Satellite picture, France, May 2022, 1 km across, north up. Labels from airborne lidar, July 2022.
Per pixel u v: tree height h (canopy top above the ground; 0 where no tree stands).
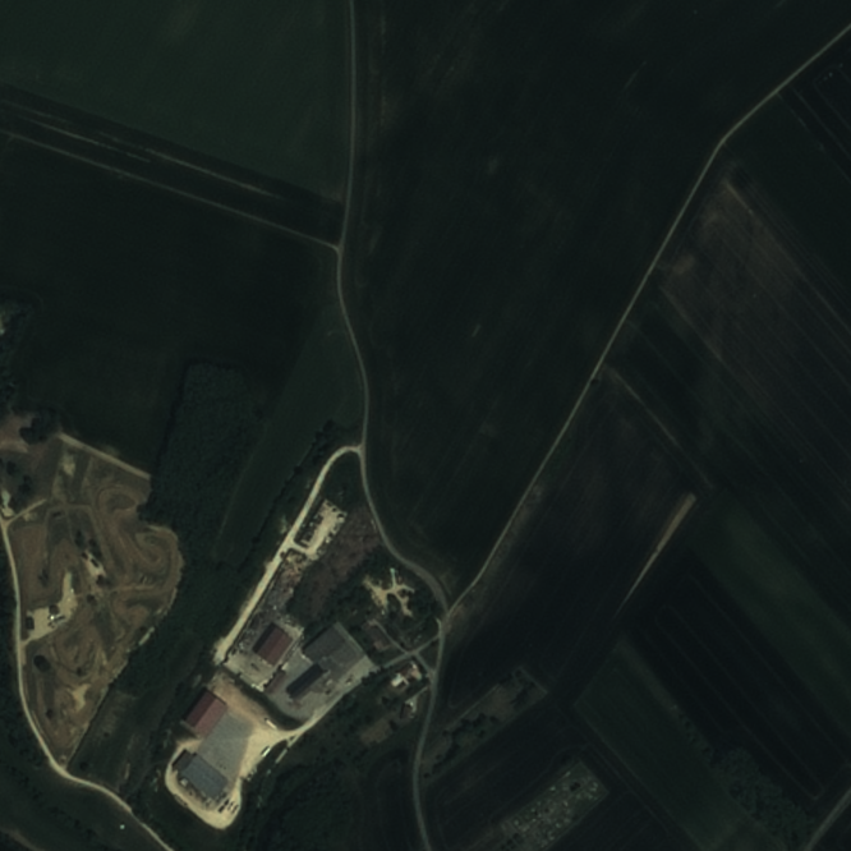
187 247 0
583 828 0
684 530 0
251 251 0
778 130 0
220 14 0
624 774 0
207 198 0
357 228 0
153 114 0
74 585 0
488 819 0
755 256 0
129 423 0
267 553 0
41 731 0
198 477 23
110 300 0
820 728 0
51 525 0
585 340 0
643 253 0
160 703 0
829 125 0
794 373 0
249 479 0
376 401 0
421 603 10
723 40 0
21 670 0
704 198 0
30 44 0
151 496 6
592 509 0
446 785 0
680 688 0
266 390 0
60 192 0
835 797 0
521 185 0
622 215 0
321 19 0
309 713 0
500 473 0
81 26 0
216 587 15
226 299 0
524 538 0
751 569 0
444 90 0
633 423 0
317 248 0
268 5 0
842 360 0
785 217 0
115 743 0
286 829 10
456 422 0
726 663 0
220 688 0
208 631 12
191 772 0
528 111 0
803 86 0
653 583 0
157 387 0
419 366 0
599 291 0
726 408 0
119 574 0
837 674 0
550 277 0
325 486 0
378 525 0
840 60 0
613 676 0
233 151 0
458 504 0
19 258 0
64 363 0
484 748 0
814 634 0
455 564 0
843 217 0
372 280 0
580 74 0
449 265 0
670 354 0
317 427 0
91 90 0
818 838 0
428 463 0
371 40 0
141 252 0
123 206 0
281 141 0
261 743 0
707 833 0
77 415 0
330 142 0
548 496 0
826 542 0
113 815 0
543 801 0
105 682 0
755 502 0
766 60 0
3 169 0
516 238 0
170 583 0
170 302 0
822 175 0
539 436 0
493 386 0
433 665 0
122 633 0
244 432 19
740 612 0
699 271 0
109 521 0
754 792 21
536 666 0
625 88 0
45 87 0
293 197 0
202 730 0
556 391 0
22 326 9
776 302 0
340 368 0
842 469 0
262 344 0
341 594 21
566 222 0
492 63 0
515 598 0
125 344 0
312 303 0
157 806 0
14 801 0
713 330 0
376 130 0
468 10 0
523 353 0
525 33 0
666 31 0
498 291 0
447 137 0
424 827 0
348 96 0
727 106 0
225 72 0
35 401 0
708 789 0
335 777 10
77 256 0
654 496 0
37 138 0
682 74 0
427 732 0
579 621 0
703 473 0
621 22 0
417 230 0
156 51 0
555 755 0
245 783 0
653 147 0
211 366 15
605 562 0
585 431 0
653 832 0
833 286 0
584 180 0
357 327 0
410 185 0
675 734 0
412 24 0
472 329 0
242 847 11
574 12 0
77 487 0
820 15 0
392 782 0
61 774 0
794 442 0
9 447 0
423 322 0
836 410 0
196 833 0
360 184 0
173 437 18
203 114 0
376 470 0
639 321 0
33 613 0
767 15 0
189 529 16
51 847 0
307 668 0
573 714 0
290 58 0
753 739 0
